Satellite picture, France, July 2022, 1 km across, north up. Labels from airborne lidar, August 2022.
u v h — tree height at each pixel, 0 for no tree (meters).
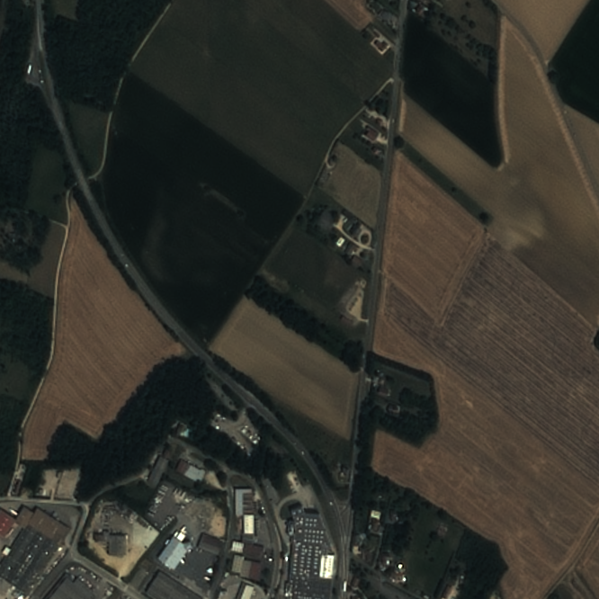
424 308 0
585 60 0
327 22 0
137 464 21
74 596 0
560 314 0
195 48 0
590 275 0
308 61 0
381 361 15
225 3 0
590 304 0
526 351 0
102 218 0
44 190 0
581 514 0
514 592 0
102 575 0
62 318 0
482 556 7
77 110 0
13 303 13
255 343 0
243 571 0
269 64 0
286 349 0
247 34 0
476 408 0
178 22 0
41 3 0
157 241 0
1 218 17
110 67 14
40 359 12
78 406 0
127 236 0
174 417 17
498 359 0
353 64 0
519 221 0
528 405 0
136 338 0
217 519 0
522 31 0
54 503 0
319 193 0
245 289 0
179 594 0
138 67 0
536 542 0
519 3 0
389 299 0
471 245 0
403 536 15
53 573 0
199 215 0
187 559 0
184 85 0
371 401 11
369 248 0
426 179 0
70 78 17
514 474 0
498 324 0
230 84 0
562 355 0
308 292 0
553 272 0
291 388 0
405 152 0
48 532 0
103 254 0
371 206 0
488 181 0
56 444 16
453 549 0
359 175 0
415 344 0
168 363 17
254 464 17
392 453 0
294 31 0
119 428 19
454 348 0
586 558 0
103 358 0
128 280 16
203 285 0
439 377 0
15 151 10
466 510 0
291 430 12
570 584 0
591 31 0
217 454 16
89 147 0
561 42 0
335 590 6
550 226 0
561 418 0
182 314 0
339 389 0
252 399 0
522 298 0
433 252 0
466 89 0
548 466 0
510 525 0
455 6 0
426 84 0
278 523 0
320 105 0
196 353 0
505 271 0
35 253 21
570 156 0
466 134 0
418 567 0
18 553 0
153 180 0
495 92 0
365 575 7
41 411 0
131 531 0
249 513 0
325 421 0
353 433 0
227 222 0
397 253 0
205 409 8
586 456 0
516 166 0
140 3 19
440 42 0
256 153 0
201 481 8
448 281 0
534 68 0
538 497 0
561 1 0
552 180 0
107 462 15
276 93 0
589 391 0
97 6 10
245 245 0
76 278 0
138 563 0
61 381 0
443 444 0
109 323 0
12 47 10
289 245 0
